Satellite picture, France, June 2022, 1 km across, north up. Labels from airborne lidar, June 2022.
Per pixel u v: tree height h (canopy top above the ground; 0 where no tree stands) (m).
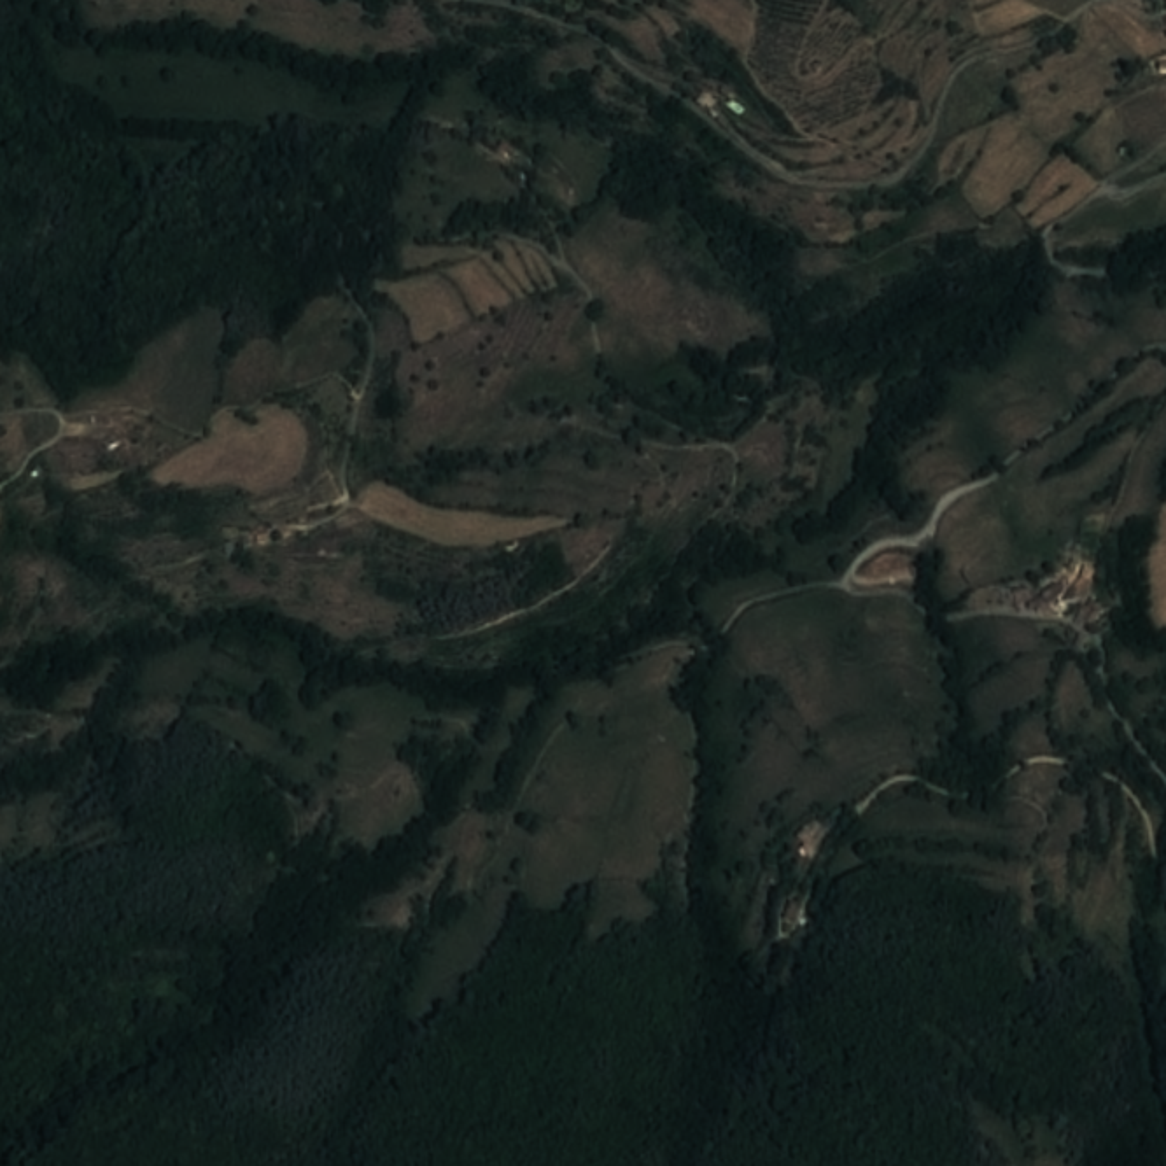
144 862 16
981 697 0
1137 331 0
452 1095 13
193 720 12
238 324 15
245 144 17
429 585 11
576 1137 15
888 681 0
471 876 0
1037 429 0
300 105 0
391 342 0
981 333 16
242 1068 18
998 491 0
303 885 14
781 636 0
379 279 8
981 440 0
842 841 10
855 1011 14
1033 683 0
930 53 8
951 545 0
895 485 17
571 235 14
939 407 19
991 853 13
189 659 0
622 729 0
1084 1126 17
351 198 17
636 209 14
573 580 0
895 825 0
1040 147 0
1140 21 0
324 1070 17
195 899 16
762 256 17
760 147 8
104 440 0
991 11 0
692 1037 13
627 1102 16
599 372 9
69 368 18
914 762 0
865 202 7
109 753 12
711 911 26
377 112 0
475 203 8
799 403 8
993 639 0
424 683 9
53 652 13
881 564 0
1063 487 0
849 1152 16
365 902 11
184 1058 31
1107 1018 17
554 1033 15
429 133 15
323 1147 8
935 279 16
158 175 11
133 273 20
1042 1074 20
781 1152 19
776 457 0
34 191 13
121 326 18
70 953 22
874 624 0
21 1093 24
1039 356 0
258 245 20
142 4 0
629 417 0
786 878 6
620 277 0
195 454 0
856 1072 22
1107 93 7
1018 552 0
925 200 11
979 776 14
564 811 0
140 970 15
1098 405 9
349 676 23
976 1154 13
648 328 0
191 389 0
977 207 0
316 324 0
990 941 18
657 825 0
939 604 12
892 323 12
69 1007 18
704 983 19
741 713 0
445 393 0
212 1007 18
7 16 11
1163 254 19
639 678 0
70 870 13
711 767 16
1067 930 8
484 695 17
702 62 7
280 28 0
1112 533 6
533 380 0
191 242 17
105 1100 25
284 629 18
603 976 11
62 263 12
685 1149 17
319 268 16
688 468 0
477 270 0
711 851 15
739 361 19
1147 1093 21
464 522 0
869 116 0
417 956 19
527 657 7
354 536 0
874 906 18
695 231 10
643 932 14
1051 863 0
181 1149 15
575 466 0
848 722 0
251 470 0
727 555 12
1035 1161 9
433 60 19
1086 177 0
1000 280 11
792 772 0
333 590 0
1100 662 13
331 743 0
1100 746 13
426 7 9
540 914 15
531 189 11
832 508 13
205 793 13
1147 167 0
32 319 11
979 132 0
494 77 13
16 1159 22
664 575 14
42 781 20
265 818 12
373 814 0
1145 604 11
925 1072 19
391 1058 24
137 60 0
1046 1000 22
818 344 12
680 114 15
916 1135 14
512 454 11
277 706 14
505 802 11
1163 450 0
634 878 0
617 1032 13
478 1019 17
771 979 15
